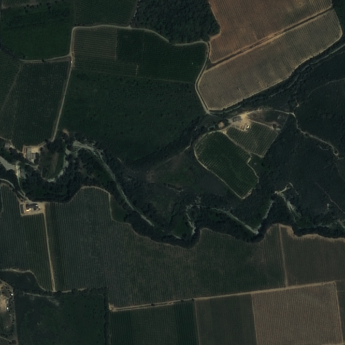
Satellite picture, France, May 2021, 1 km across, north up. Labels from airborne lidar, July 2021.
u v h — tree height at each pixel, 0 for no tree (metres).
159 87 7
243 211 8
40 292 10
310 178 6
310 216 13
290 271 0
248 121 0
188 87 10
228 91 0
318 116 6
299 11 0
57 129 0
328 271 0
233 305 0
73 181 21
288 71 0
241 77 0
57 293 9
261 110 0
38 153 11
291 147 5
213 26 11
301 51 0
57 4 11
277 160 6
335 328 0
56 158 0
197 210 13
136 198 19
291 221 19
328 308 0
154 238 16
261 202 14
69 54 0
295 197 8
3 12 9
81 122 8
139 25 13
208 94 0
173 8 16
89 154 9
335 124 6
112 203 0
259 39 0
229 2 0
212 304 0
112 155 8
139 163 6
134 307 0
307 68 7
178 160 0
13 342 9
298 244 0
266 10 0
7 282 6
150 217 6
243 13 0
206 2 12
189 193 8
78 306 0
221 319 0
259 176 8
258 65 0
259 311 0
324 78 8
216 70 0
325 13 0
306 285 0
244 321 0
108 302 10
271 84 0
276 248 0
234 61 0
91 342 0
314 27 0
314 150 6
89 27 0
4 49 25
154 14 14
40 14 5
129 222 10
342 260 0
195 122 8
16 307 0
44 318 0
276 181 7
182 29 16
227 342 0
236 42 0
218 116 6
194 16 17
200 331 0
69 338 0
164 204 0
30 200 13
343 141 12
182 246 12
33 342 0
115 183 16
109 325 10
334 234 17
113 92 6
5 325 0
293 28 0
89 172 11
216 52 0
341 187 6
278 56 0
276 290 0
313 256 0
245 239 18
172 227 15
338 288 0
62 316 0
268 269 0
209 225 13
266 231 10
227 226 25
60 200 13
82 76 7
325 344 0
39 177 16
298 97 11
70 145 10
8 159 12
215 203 22
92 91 0
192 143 6
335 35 0
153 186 7
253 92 0
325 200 6
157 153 7
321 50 0
